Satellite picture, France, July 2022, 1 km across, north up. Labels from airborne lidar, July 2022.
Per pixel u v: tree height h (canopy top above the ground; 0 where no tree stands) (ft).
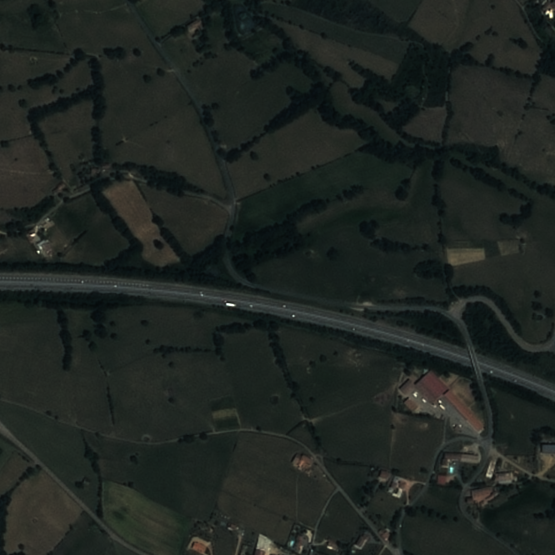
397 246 50
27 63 0
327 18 0
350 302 0
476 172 56
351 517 0
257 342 0
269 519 0
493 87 0
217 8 56
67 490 0
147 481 0
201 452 0
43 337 0
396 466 0
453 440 0
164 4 0
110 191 0
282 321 18
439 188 25
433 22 0
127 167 46
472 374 43
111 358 0
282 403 0
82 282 0
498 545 0
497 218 0
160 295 0
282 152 0
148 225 0
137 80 0
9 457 0
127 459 0
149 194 0
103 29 0
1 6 0
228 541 0
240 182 0
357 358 0
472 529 0
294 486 0
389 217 0
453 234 0
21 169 0
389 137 0
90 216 0
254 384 0
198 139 0
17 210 36
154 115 0
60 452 0
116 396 0
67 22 0
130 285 0
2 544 49
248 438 0
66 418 0
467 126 0
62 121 0
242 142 0
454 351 0
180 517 0
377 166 0
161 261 0
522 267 0
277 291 0
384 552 0
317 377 0
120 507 0
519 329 44
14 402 0
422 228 0
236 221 0
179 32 49
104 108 52
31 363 0
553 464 0
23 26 0
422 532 0
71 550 0
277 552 0
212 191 0
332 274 0
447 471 0
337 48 0
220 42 0
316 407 0
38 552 0
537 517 32
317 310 0
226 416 0
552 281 0
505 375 0
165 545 0
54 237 0
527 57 0
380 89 21
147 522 0
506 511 0
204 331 0
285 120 63
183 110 0
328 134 0
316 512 0
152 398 0
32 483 0
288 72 0
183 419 0
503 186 59
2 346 0
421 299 34
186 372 0
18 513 0
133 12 0
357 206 0
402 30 0
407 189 52
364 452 0
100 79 67
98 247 0
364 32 0
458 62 47
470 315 24
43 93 0
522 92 0
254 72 48
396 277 0
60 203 0
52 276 0
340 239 0
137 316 0
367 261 0
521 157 0
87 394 0
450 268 49
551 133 0
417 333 33
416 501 0
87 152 0
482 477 0
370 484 27
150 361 0
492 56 31
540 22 48
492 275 0
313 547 34
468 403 0
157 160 0
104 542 0
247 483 0
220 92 0
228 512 0
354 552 0
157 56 0
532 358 28
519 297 0
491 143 0
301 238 76
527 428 0
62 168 0
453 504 0
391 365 0
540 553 0
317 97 82
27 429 0
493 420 25
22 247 0
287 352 0
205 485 0
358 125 71
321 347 0
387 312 28
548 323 0
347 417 0
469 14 0
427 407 0
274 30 67
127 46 0
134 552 0
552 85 0
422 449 0
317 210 68
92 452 32
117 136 0
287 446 0
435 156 63
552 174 0
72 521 0
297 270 0
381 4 0
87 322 0
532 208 39
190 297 0
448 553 0
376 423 0
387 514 0
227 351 0
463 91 0
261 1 39
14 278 0
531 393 34
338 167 0
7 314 0
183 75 0
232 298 0
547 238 0
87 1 0
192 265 69
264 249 43
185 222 0
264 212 0
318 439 37
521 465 0
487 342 28
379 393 0
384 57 0
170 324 0
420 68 18
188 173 0
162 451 0
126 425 0
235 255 41
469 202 0
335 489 0
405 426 0
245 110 0
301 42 0
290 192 0
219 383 0
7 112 0
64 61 0
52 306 49
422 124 0
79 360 0
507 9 0
